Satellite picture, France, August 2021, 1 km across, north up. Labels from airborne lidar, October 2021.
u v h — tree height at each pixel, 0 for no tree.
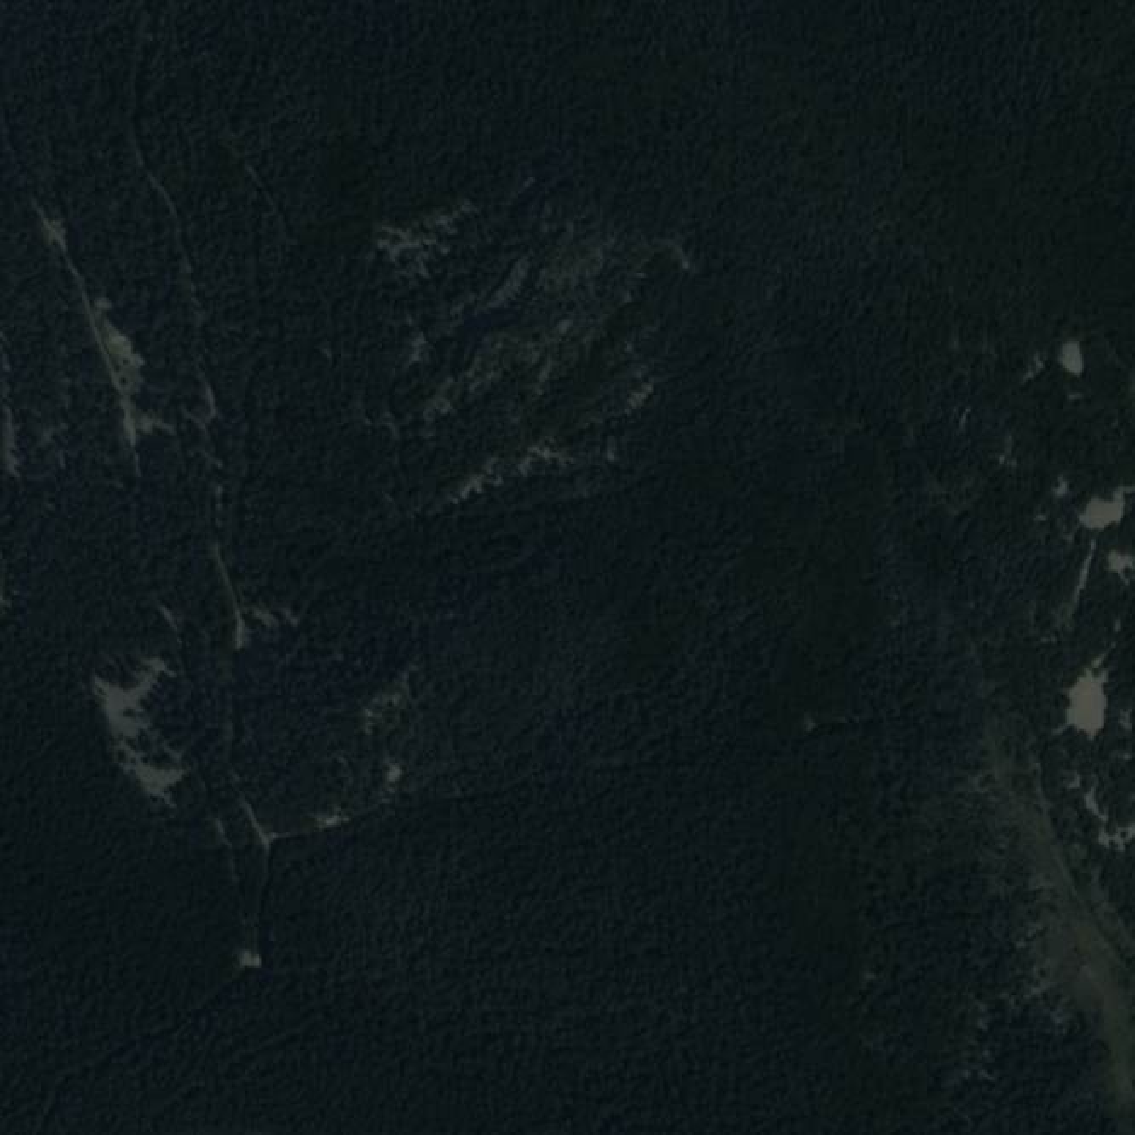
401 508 7
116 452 26
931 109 14
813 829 12
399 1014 15
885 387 14
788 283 15
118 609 25
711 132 12
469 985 22
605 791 15
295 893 18
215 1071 26
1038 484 11
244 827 23
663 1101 20
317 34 22
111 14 24
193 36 20
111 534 26
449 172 9
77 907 22
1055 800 10
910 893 9
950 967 10
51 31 27
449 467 11
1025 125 17
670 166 17
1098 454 16
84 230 24
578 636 11
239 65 21
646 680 15
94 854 18
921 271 17
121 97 18
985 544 11
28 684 18
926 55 20
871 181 12
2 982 12
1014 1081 13
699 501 12
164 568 27
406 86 20
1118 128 16
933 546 12
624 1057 14
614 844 21
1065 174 19
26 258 25
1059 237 15
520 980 25
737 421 9
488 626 24
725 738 19
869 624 17
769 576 12
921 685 12
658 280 10
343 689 12
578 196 10
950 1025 13
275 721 22
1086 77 12
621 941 16
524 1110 20
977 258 12
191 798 11
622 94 14
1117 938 6
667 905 15
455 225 6
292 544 12
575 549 15
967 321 16
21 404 20
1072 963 0
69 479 26
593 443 11
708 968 23
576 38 17
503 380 7
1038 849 0
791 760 12
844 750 14
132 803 18
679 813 17
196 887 23
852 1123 19
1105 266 19
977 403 14
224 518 27
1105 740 11
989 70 21
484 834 16
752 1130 22
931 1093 14
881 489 12
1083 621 14
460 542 16
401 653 22
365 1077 29
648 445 8
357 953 17
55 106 8
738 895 17
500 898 19
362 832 13
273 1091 24
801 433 9
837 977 16
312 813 20
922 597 8
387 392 10
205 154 20
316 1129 20
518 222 12
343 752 23
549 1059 14
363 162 16
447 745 15
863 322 20
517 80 14
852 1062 12
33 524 24
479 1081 21
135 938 25
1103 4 15
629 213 12
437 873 19
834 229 8
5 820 18
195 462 21
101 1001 26
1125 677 11
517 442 9
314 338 11
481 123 17
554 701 15
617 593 20
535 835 15
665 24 15
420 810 16
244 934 20
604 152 17
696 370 13
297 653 14
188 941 23
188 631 8
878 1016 17
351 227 12
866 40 17
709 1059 18
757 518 14
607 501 12
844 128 13
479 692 24
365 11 21
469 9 23
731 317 8
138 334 8
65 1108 23
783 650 18
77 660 15
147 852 22
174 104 20
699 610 16
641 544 11
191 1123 17
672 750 20
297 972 18
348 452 16
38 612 26
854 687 14
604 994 22
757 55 14
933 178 19
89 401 21
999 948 8
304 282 14
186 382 24
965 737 7
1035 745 8
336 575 17
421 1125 21
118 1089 29
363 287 10
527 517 18
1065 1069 13
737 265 15
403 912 20
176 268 26
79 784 15
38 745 23
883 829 8
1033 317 11
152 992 25
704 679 20
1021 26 23
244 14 19
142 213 26
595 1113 21
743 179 11
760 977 18
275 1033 24
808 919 18
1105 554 10
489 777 15
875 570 12
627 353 9
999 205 16
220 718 24
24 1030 21
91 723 14
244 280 20
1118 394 15
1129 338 15
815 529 15
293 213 21
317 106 14
